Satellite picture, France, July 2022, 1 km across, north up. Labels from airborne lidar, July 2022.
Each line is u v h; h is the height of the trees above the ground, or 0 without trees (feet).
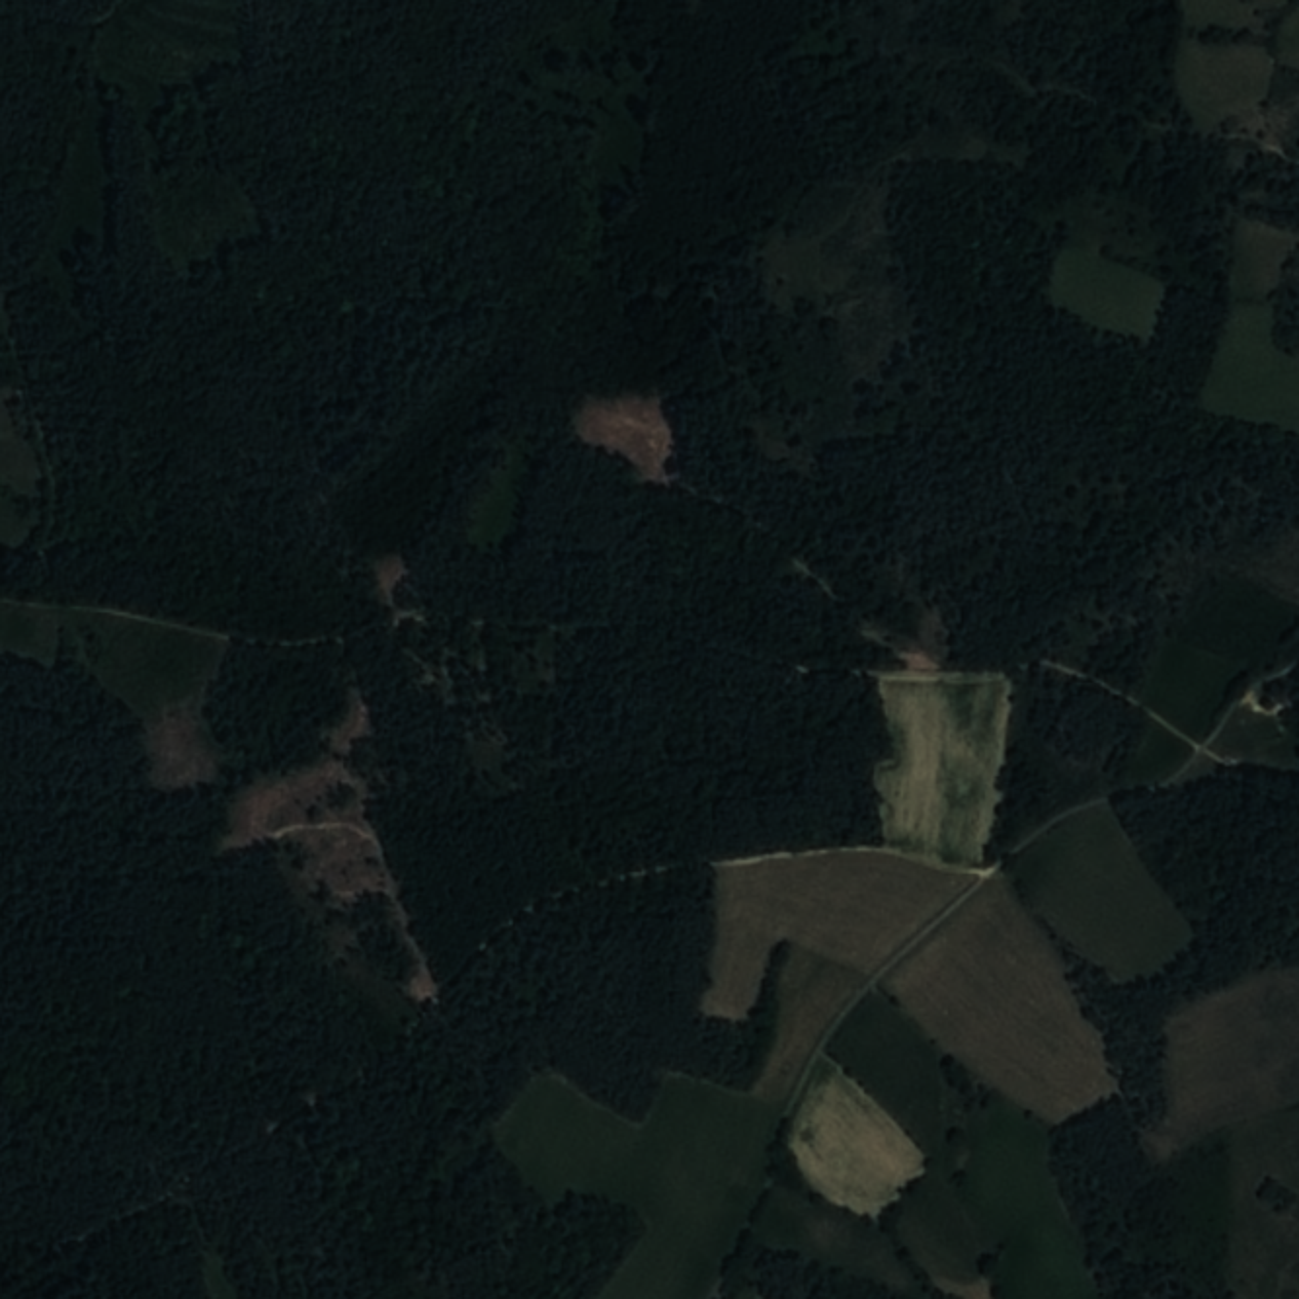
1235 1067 0
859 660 42
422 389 106
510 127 54
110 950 71
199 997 52
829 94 35
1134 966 0
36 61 63
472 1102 41
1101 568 57
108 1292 36
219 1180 48
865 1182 0
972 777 0
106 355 55
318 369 66
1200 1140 0
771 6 27
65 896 58
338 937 0
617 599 64
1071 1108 0
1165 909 0
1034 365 71
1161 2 18
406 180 66
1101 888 0
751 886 0
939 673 0
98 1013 59
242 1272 46
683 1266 0
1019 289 56
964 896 0
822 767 64
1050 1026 0
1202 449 31
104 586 45
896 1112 0
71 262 76
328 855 0
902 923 0
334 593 28
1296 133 0
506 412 70
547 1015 35
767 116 25
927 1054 0
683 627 58
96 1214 58
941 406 31
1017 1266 0
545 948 52
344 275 38
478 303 71
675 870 25
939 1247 0
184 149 50
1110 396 34
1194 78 0
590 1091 49
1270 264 0
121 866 69
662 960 60
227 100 48
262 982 45
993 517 37
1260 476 71
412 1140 39
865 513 31
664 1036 65
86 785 80
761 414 24
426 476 24
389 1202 40
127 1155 53
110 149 68
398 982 27
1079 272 0
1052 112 31
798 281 0
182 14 0
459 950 39
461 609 35
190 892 64
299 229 55
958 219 33
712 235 31
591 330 69
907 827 0
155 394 54
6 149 53
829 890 0
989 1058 0
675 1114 0
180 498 36
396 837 34
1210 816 55
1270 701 38
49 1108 45
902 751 0
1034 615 59
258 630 34
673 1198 0
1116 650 31
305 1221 49
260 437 49
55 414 26
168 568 39
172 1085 47
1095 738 56
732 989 0
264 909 73
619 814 36
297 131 72
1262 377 0
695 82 31
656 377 57
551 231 60
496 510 0
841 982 0
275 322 40
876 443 30
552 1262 51
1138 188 27
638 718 75
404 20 64
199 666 0
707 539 65
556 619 84
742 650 56
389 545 25
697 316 29
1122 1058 45
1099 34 25
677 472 83
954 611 37
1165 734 0
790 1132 41
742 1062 32
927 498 59
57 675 39
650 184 28
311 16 54
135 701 0
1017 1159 0
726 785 55
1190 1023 0
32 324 23
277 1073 35
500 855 40
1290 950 35
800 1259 49
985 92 26
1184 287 20
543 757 26
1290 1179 0
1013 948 0
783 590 76
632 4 68
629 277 47
